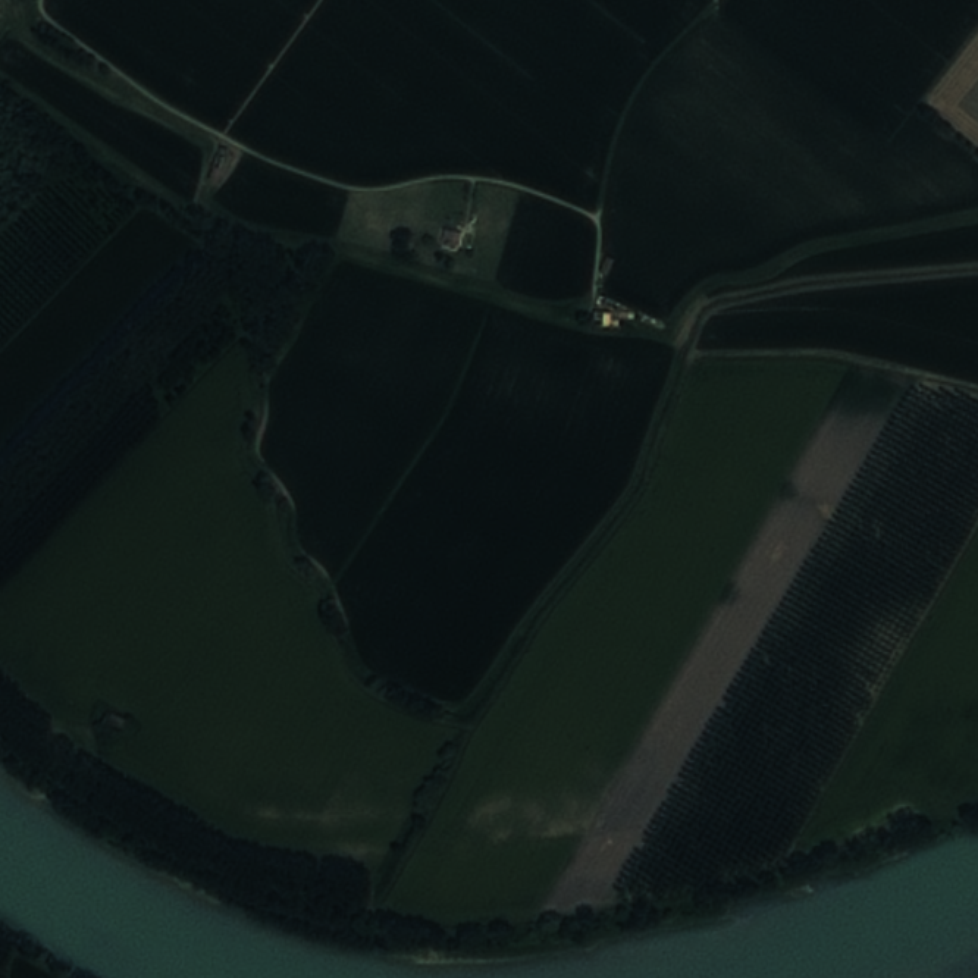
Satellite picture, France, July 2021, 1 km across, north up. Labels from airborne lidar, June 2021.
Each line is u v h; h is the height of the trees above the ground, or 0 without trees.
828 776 22
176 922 0
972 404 17
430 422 0
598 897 0
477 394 0
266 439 0
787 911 0
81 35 0
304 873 29
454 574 0
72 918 0
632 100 0
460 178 0
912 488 19
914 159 0
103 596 0
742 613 0
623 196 0
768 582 0
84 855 0
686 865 25
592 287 0
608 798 0
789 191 0
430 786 14
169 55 0
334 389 0
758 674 21
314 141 0
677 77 0
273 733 0
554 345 0
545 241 0
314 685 0
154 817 27
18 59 0
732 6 0
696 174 0
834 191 0
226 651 0
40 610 0
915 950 0
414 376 0
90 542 0
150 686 0
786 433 0
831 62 0
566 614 0
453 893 0
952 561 18
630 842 0
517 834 0
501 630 0
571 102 0
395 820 0
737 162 0
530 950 0
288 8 0
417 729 0
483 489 0
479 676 0
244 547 0
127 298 0
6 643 0
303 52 0
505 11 0
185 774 0
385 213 0
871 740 0
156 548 0
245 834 0
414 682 0
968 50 0
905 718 0
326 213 0
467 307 0
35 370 0
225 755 0
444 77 0
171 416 0
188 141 0
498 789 0
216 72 0
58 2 0
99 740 10
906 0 0
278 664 0
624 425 0
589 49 0
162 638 0
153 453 0
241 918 0
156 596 0
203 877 26
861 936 0
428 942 30
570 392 0
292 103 0
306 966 0
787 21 0
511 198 0
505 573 0
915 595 21
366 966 0
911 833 29
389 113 0
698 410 0
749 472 0
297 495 0
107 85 0
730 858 25
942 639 0
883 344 0
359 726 0
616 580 0
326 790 0
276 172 0
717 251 0
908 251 0
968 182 0
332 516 0
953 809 0
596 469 0
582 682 0
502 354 0
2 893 0
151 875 0
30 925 0
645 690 0
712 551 0
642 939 0
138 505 0
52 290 19
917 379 0
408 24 0
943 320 0
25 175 28
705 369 0
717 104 0
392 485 0
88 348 0
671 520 0
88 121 0
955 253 0
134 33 0
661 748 0
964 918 0
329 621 23
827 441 0
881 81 0
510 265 0
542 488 0
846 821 0
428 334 0
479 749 0
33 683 0
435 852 0
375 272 0
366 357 0
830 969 0
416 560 0
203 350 18
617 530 0
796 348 0
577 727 0
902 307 0
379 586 0
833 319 0
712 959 0
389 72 0
